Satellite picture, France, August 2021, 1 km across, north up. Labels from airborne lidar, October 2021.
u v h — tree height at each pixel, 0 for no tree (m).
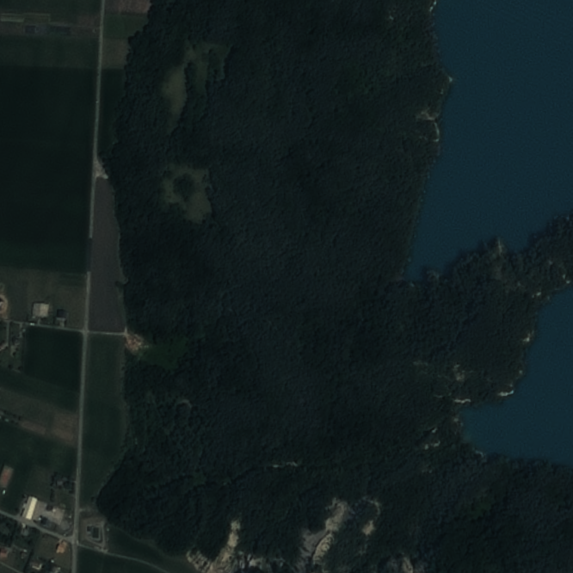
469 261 10
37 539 0
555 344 0
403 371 14
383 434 18
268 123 16
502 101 0
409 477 17
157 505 25
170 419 17
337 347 20
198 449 23
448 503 12
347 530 6
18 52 0
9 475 0
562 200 0
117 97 0
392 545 13
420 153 14
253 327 20
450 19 0
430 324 21
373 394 19
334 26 21
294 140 19
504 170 0
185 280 18
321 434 22
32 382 0
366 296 20
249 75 16
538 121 0
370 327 19
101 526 0
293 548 7
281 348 19
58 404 0
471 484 7
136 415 12
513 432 0
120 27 0
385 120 17
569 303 0
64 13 0
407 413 18
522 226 0
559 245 16
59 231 0
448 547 26
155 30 19
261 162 16
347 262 16
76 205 0
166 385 15
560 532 20
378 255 21
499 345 17
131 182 16
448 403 13
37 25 0
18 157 0
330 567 6
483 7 0
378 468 14
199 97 14
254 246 12
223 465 15
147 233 19
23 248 0
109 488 15
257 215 15
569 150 0
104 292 0
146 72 19
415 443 6
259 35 16
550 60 0
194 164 23
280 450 23
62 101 0
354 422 25
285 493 13
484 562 20
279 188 15
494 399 9
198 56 0
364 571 10
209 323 18
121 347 0
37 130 0
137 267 18
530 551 17
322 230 15
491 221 0
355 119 21
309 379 15
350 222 14
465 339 17
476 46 0
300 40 22
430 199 0
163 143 16
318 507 10
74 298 0
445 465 15
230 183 16
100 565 0
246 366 21
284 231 17
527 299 15
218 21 19
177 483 26
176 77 0
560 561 19
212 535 12
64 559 0
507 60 0
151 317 18
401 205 19
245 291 22
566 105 0
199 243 24
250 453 20
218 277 16
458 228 0
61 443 0
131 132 24
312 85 22
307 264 19
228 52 0
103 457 0
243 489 20
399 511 13
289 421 17
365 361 20
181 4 19
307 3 24
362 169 17
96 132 0
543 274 14
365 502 0
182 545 10
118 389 0
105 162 11
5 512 0
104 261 0
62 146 0
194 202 0
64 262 0
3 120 0
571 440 0
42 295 0
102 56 0
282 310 18
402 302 19
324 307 19
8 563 0
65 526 0
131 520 14
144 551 0
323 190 20
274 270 18
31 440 0
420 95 16
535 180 0
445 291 20
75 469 0
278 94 17
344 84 21
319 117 18
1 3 0
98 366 0
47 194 0
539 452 0
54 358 0
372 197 14
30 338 0
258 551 13
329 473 8
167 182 0
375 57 15
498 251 11
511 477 20
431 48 10
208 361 20
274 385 14
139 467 14
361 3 15
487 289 17
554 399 0
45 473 0
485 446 0
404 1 14
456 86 0
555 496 17
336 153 20
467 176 0
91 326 0
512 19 0
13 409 0
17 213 0
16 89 0
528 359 0
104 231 0
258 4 22
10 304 0
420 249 0
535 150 0
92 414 0
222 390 22
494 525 27
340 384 17
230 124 19
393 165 12
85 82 0
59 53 0
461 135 0
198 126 21
